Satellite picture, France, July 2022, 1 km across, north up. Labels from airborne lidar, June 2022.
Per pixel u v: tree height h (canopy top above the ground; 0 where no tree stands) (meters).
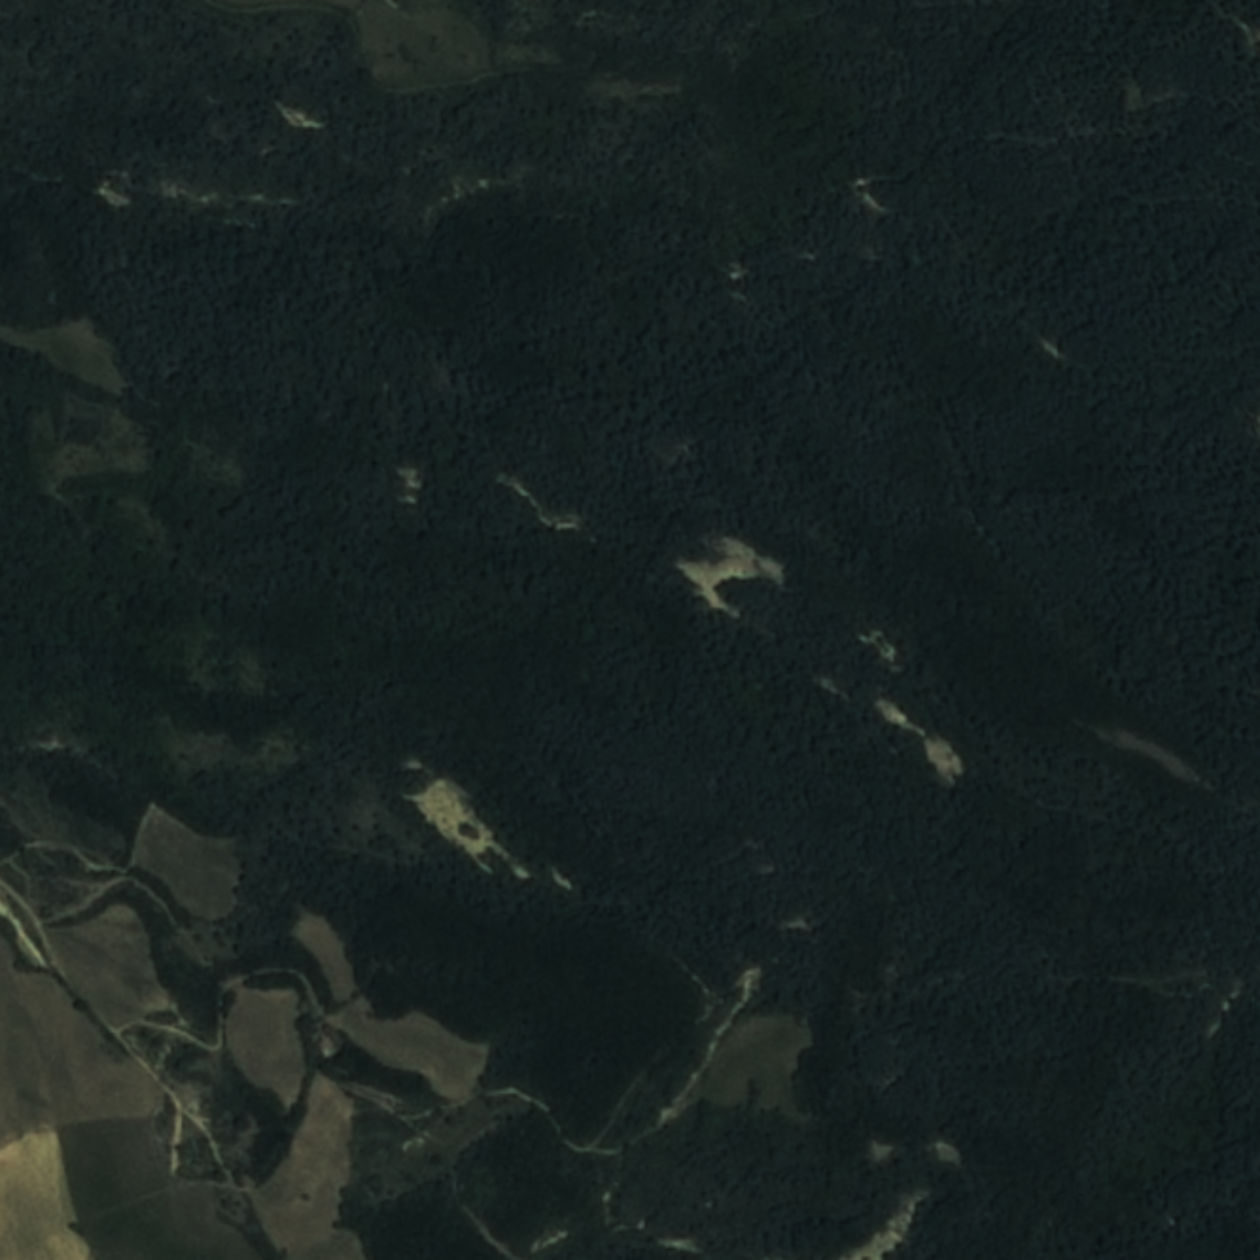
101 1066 0
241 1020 0
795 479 7
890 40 8
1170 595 16
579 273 9
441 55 0
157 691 16
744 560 0
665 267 11
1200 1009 9
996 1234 10
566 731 13
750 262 15
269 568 7
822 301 9
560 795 5
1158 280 13
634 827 7
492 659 9
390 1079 6
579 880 10
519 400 10
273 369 8
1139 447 15
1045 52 16
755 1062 0
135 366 9
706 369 11
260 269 11
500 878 9
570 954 13
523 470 11
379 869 6
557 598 7
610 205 8
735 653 12
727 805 13
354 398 7
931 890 14
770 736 14
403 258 10
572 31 9
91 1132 0
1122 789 11
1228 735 6
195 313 11
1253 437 8
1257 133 14
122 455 0
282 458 9
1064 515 19
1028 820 9
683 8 9
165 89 6
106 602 10
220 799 6
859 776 9
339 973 0
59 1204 0
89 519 6
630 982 8
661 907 12
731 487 11
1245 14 9
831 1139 11
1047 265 12
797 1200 7
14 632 12
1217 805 6
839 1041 7
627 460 10
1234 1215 11
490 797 7
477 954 7
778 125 6
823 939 6
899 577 10
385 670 9
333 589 7
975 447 13
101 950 0
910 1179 7
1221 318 12
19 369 7
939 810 9
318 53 8
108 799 7
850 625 8
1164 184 16
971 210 8
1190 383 10
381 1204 6
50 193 15
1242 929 10
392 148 9
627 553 8
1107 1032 8
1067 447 14
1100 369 12
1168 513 18
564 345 7
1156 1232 10
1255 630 6
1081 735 7
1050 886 13
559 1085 6
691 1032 8
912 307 10
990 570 8
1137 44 17
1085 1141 11
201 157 8
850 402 12
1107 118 12
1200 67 14
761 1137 7
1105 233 9
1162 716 15
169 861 0
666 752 16
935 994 11
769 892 11
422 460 12
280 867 8
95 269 16
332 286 11
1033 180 14
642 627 7
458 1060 0
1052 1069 10
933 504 13
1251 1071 13
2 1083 0
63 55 6
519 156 8
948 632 9
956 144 14
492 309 14
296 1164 0
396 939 11
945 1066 9
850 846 12
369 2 0
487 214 7
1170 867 10
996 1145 9
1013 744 8
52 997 0
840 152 11
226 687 6
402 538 11
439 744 9
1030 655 9
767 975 6
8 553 7
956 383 10
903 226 12
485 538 13
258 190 8
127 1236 0
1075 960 8
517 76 9
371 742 11
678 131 12
